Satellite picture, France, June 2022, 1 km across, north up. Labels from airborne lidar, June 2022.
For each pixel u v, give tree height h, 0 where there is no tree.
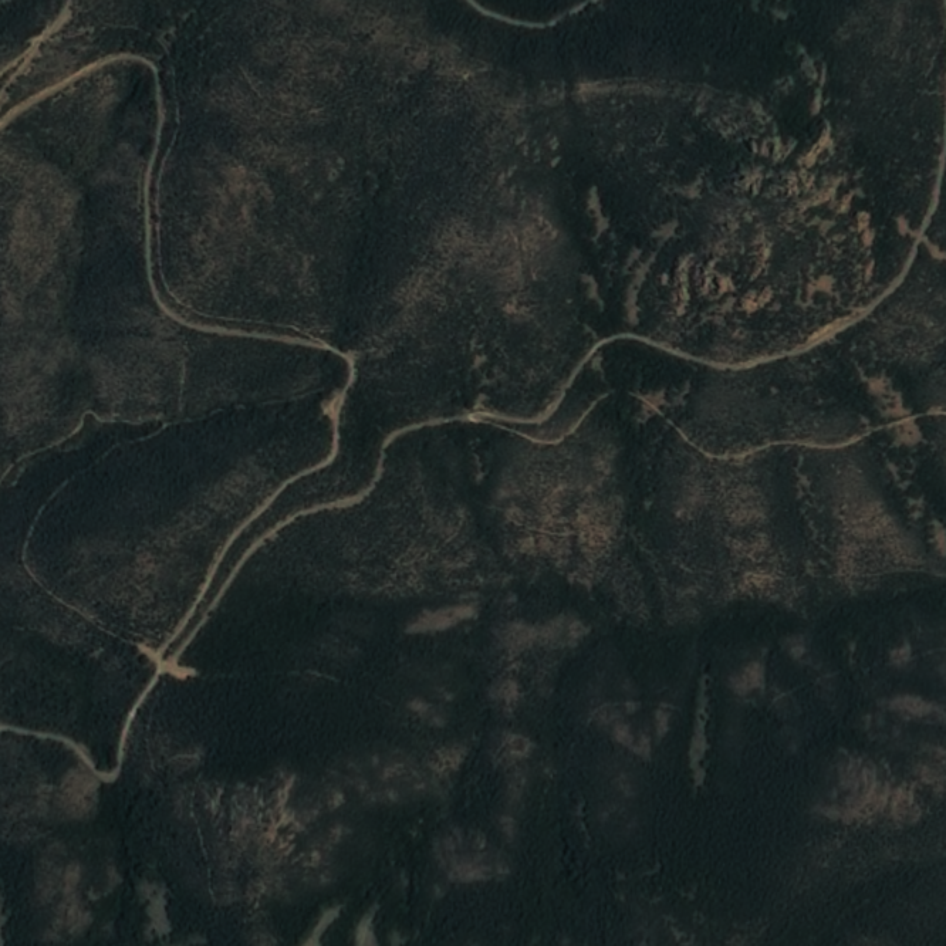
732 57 7
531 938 6
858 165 9
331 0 0
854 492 0
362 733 7
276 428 7
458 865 0
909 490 7
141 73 8
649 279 7
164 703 7
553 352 7
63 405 7
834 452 0
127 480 7
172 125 9
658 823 6
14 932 7
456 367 6
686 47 5
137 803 9
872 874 6
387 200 8
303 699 6
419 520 7
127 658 9
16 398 0
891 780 0
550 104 0
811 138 8
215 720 8
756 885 8
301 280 0
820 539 6
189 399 6
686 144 8
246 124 0
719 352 0
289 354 6
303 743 9
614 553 6
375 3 0
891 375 8
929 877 6
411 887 10
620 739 0
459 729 7
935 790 0
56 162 8
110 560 6
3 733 8
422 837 8
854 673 7
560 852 13
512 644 0
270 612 7
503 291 0
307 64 0
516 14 9
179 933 8
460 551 8
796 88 5
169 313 0
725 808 8
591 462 0
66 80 0
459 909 7
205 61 7
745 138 9
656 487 8
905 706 0
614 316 8
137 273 6
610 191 6
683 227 7
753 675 0
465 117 5
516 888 6
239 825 0
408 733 9
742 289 6
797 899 7
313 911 7
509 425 7
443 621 0
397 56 0
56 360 0
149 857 7
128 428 7
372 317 7
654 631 6
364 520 7
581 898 7
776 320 7
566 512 0
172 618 7
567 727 8
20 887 8
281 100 0
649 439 6
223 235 0
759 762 9
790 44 6
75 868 0
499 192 0
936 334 0
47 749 8
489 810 7
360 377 8
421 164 7
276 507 8
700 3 8
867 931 7
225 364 6
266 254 6
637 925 0
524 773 0
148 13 9
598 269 9
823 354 7
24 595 6
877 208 7
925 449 7
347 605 11
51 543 7
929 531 7
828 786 0
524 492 0
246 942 7
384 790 0
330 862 0
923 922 6
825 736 8
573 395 8
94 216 6
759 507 0
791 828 8
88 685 6
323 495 8
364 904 10
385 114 8
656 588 7
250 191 0
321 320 5
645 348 6
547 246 0
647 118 8
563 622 0
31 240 0
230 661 8
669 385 7
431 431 9
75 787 0
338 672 7
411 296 0
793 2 8
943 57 8
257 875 7
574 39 7
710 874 6
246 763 9
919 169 7
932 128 6
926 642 0
